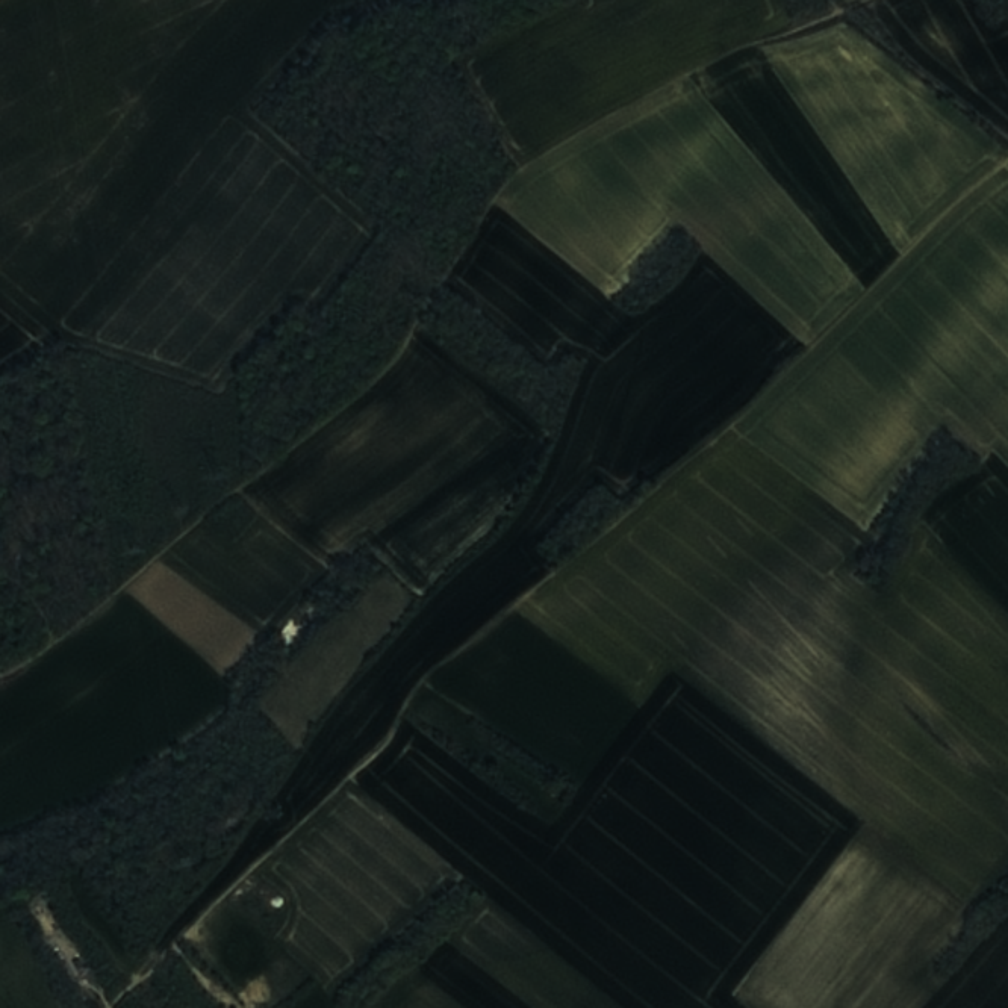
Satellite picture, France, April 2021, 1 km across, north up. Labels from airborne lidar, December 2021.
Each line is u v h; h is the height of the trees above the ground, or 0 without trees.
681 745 0
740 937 0
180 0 0
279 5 0
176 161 0
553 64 0
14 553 19
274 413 18
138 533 6
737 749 0
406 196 16
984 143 0
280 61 0
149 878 19
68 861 11
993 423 0
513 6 21
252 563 0
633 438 0
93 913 0
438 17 25
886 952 0
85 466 10
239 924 0
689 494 0
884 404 0
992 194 0
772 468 0
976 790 0
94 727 0
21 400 16
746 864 0
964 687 0
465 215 25
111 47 0
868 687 0
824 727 0
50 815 14
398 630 8
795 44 0
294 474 0
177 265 0
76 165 0
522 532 0
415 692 0
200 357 0
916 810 0
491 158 22
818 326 0
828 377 0
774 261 0
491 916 0
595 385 0
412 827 0
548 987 0
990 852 0
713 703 0
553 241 0
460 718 0
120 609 0
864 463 0
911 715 0
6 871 21
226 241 0
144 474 9
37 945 15
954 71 0
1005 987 0
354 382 20
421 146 22
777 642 0
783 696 0
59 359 18
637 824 0
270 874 0
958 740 0
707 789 0
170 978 7
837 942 0
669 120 0
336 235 0
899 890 0
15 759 0
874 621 0
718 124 0
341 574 19
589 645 0
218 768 8
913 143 0
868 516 0
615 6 0
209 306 0
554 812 0
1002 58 0
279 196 0
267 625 0
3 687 0
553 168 0
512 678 0
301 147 17
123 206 0
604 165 0
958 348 0
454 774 0
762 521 0
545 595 0
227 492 7
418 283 8
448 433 0
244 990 0
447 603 0
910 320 0
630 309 8
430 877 0
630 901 0
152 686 0
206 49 0
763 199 0
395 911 0
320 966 0
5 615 11
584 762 0
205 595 0
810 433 0
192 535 0
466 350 11
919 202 0
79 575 19
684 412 0
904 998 0
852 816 0
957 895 0
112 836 9
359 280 13
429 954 12
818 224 0
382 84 17
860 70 0
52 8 0
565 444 0
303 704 0
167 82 0
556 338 0
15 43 0
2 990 0
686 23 0
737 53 0
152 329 0
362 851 0
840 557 0
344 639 0
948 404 0
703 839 0
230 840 8
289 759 9
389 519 0
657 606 0
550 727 0
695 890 0
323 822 0
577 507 8
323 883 0
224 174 0
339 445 0
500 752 8
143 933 8
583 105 0
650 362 0
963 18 0
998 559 0
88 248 0
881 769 0
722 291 0
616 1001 0
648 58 0
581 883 0
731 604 0
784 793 0
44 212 0
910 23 0
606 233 0
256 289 0
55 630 11
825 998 0
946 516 0
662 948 0
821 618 0
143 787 9
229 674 7
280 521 0
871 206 0
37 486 20
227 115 0
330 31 17
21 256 0
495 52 0
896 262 0
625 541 0
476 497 0
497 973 0
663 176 0
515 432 0
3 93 0
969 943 15
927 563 0
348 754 0
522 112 0
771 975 0
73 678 0
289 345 8
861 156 0
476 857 0
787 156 0
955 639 0
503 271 0
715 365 0
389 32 19
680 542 0
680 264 17
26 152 0
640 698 0
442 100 27
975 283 0
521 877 0
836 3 14
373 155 14
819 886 0
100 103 0
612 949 0
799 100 0
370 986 16
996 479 0
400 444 0
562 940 0
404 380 0
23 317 0
